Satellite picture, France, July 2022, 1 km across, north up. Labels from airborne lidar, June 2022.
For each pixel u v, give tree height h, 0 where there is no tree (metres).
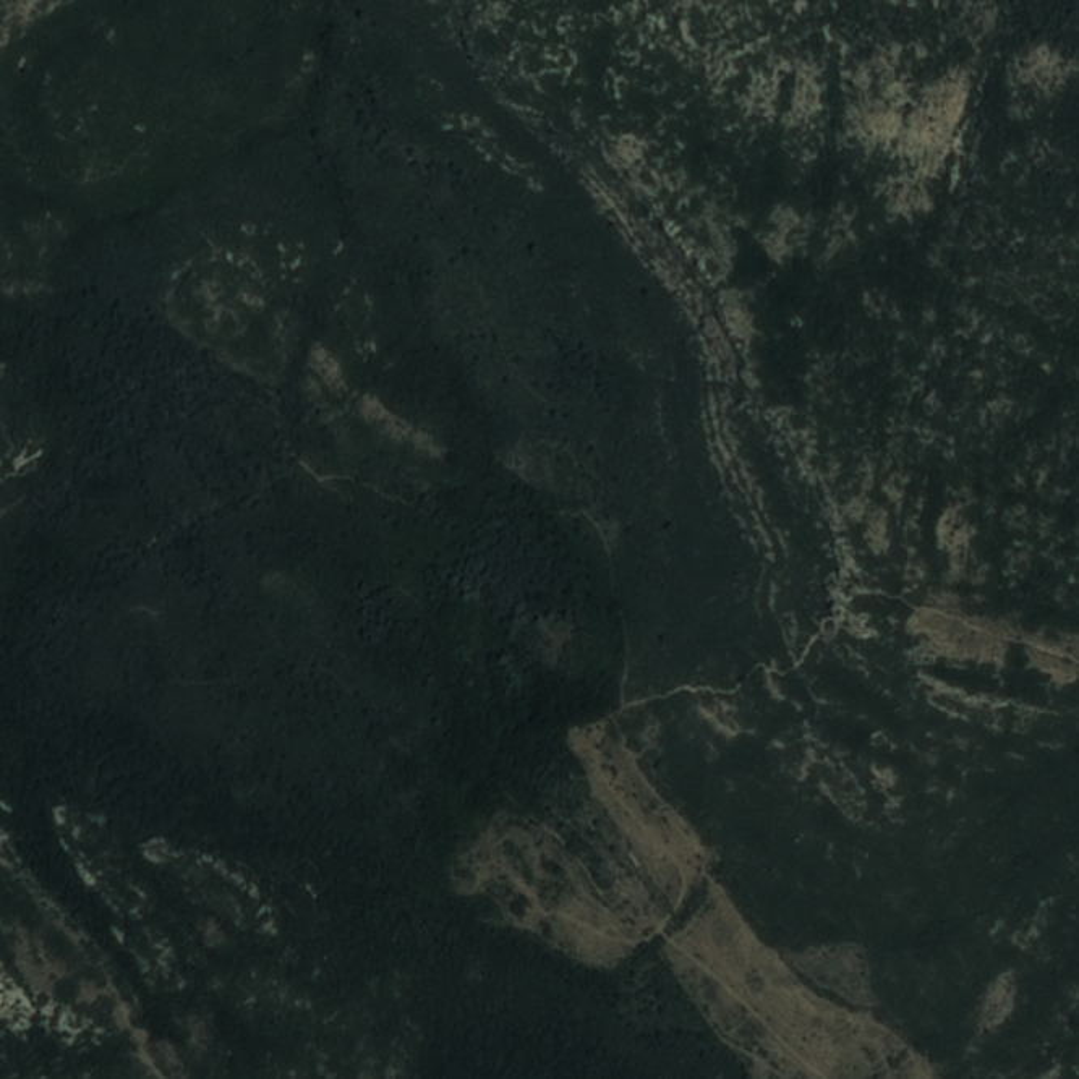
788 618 0
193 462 9
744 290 0
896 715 0
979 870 0
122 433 7
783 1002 0
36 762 8
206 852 9
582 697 7
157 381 7
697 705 0
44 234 0
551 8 0
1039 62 0
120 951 9
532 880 6
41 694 9
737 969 0
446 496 9
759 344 0
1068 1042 0
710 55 0
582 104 0
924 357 0
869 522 0
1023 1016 0
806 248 0
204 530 8
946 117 0
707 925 0
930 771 0
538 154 0
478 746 15
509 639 16
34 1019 5
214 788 6
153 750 8
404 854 6
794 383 6
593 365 8
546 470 0
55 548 6
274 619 10
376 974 6
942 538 0
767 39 0
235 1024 6
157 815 8
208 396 7
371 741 7
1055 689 0
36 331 10
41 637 6
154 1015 6
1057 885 0
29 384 6
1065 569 0
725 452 0
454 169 7
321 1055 0
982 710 0
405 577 6
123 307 11
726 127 0
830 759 0
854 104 0
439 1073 9
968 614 0
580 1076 6
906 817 0
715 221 0
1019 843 0
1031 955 0
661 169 0
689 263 0
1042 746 0
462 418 6
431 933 6
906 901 0
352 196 7
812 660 0
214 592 9
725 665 0
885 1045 0
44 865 11
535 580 16
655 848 0
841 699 0
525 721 13
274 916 6
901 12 6
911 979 0
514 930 6
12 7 0
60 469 6
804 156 0
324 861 6
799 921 0
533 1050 8
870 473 0
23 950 0
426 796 6
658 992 9
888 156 0
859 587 0
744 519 0
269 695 7
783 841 0
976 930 0
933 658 0
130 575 6
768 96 0
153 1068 0
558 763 7
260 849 9
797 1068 0
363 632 15
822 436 0
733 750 0
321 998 6
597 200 0
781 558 0
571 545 6
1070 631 0
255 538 8
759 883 0
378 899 9
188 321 0
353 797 7
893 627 0
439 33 0
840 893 0
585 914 0
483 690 11
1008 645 0
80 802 13
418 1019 6
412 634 12
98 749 10
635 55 0
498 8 0
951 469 0
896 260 5
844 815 0
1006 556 0
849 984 0
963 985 0
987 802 0
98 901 10
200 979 8
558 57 0
